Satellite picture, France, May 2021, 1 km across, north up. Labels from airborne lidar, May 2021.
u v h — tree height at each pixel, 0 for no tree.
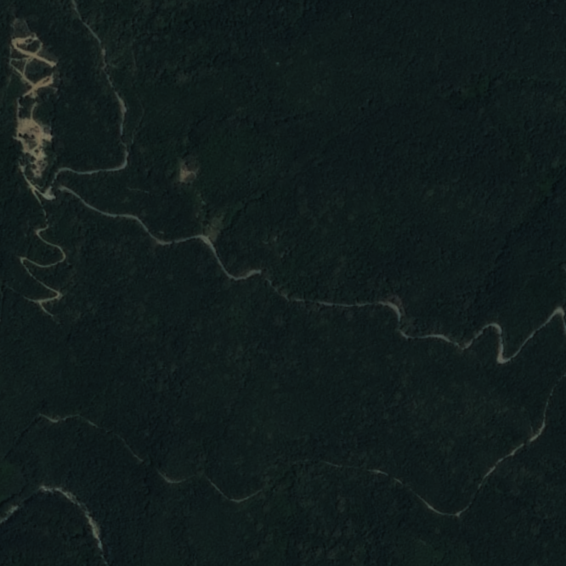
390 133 15
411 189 9
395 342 13
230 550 11
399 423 11
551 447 10
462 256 10
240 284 13
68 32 10
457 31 8
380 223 9
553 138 10
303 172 19
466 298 17
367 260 14
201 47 10
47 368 10
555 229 8
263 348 11
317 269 13
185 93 7
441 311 14
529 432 5
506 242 13
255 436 6
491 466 8
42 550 19
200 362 8
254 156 6
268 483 7
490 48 17
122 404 11
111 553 24
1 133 15
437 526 8
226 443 6
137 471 15
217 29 13
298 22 7
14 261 9
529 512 11
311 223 9
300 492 12
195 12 16
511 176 19
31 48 11
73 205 16
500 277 10
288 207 6
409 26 11
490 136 15
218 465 9
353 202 9
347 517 7
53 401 9
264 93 14
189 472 7
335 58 10
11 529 15
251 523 6
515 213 16
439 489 6
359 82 13
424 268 12
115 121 15
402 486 13
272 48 9
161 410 14
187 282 8
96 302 15
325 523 10
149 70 12
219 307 9
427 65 18
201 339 11
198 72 17
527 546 10
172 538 12
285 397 9
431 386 9
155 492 17
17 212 10
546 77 18
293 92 7
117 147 9
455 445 10
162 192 7
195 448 13
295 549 8
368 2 11
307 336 9
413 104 21
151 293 9
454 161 14
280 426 7
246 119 14
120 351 15
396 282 13
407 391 10
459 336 15
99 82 10
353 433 13
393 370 11
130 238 11
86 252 15
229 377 10
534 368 10
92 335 13
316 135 20
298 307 8
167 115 7
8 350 13
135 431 11
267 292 12
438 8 13
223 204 9
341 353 9
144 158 8
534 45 13
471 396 8
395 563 13
